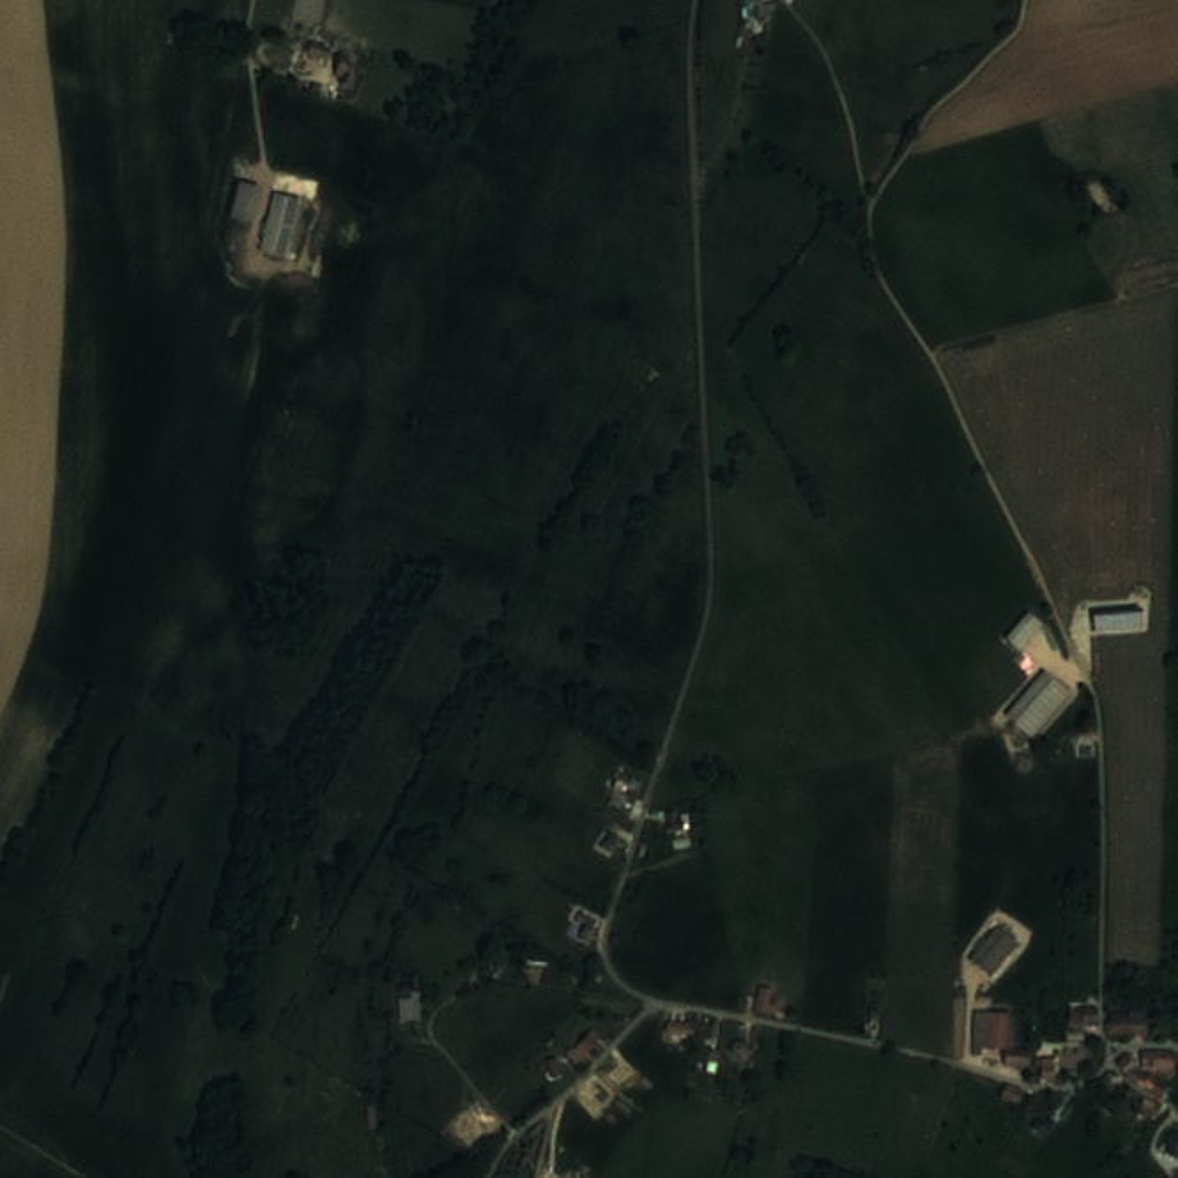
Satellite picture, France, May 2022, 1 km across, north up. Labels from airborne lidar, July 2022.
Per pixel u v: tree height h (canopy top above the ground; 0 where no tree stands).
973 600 0
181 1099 0
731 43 0
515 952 8
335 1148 0
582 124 0
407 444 0
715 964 0
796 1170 10
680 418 0
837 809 0
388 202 0
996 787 0
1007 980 0
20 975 0
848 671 0
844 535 0
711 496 0
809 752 0
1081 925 0
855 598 0
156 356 0
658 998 0
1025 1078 11
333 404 0
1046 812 0
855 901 0
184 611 0
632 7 0
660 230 0
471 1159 14
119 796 0
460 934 0
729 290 0
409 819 0
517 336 0
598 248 0
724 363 0
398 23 0
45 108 0
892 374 0
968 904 0
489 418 0
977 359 0
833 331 0
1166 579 0
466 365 0
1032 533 0
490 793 7
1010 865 0
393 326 0
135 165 0
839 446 0
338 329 0
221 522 0
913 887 0
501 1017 0
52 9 0
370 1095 10
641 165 0
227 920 16
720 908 0
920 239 0
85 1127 0
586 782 0
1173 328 0
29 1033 0
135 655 0
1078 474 0
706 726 0
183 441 0
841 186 0
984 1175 0
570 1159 0
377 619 16
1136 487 0
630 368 0
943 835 0
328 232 0
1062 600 0
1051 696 0
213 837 0
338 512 0
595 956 8
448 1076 0
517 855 0
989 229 0
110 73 0
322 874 17
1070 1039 0
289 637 20
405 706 0
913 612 0
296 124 0
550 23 0
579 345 0
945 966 0
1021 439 0
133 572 0
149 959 11
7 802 0
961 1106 0
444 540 0
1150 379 0
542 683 0
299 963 0
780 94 0
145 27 0
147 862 13
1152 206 0
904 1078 0
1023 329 0
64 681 0
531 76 0
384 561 0
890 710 0
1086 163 0
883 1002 9
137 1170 0
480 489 0
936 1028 0
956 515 0
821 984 0
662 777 0
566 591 0
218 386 0
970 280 0
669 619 0
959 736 0
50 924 0
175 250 0
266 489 0
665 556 0
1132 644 0
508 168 0
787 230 0
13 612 0
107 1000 16
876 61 0
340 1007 0
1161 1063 0
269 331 0
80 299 0
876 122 0
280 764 18
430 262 0
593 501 0
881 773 0
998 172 0
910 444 0
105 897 0
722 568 0
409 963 0
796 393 0
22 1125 0
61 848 0
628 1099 0
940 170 0
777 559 0
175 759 0
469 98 15
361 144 0
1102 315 0
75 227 0
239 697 0
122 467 0
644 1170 0
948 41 0
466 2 0
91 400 0
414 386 0
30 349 0
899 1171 0
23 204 0
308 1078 0
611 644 0
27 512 0
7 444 0
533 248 0
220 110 0
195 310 0
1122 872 0
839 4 0
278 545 0
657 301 0
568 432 0
